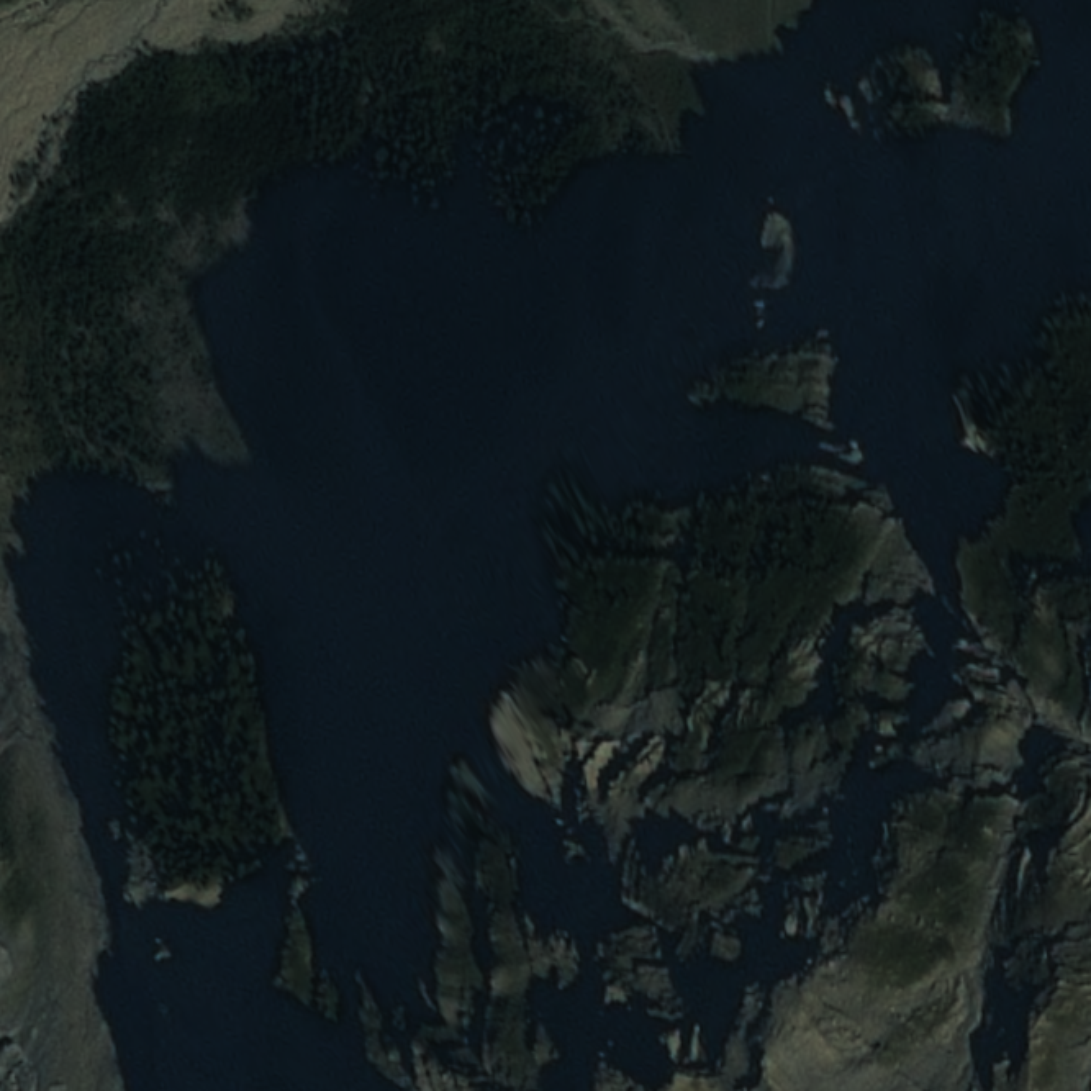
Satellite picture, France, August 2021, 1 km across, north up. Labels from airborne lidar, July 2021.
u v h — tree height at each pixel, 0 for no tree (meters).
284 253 6
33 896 0
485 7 10
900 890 0
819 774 0
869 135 0
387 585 0
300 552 0
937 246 0
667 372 0
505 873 0
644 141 7
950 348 12
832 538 0
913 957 0
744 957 0
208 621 9
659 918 0
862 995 0
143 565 12
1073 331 8
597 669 0
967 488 0
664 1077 0
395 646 0
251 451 0
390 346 12
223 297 0
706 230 0
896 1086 0
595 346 0
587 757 0
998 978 0
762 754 0
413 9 10
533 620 0
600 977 0
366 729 0
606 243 8
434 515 0
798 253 0
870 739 0
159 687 13
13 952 0
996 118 0
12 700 0
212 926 0
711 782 0
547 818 0
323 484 0
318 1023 0
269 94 9
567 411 0
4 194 0
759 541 0
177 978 0
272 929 0
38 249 13
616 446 0
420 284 28
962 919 0
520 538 0
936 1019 0
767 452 0
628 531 14
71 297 7
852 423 0
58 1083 0
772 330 0
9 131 0
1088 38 0
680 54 0
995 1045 0
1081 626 0
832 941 0
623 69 0
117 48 0
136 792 23
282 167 7
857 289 0
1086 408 0
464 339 7
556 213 8
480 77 7
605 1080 0
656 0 0
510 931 0
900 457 0
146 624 22
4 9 0
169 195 7
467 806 0
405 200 5
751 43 0
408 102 20
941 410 0
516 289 25
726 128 0
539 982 0
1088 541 0
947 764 0
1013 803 0
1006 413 7
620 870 0
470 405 19
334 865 0
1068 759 0
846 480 0
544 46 8
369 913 0
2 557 0
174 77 7
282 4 0
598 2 0
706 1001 0
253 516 0
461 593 0
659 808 0
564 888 0
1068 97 0
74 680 0
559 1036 0
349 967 0
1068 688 0
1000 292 0
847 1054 0
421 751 0
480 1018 0
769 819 0
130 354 7
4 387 0
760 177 0
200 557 9
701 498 18
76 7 0
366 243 36
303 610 0
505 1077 0
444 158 7
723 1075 0
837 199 0
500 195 25
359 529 0
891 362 0
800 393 0
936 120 0
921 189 0
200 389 0
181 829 14
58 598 0
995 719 0
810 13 0
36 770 0
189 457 0
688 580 14
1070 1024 0
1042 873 0
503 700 0
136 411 14
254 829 14
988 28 6
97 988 0
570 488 0
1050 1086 0
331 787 0
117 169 7
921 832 0
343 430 0
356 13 6
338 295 6
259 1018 0
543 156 15
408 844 0
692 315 0
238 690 20
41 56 0
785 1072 0
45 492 0
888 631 0
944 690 0
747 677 0
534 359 10
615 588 0
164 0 0
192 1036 0
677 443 0
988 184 0
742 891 0
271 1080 0
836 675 20
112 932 0
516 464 0
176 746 15
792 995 0
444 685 0
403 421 20
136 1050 0
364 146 6
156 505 10
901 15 0
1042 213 0
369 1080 0
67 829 0
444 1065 0
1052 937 0
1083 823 0
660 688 0
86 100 7
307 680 0
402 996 0
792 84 0
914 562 0
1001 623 0
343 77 27
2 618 0
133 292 8
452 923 0
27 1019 0
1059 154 0
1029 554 0
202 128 6
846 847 0
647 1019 0
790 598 0
